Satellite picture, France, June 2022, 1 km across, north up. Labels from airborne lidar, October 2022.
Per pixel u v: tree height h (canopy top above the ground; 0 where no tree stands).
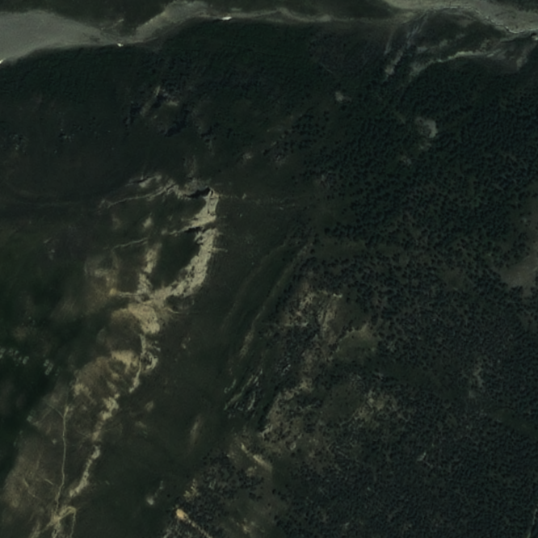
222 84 7
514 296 21
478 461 13
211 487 6
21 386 0
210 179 0
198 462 0
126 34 0
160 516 0
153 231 0
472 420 8
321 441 0
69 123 0
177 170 0
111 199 0
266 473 0
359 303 12
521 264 0
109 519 0
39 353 0
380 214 17
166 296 0
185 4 0
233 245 0
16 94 6
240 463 0
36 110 0
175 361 0
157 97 0
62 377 0
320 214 0
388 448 9
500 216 20
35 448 0
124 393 0
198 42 5
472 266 17
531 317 6
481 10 0
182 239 0
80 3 0
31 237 0
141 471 0
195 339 0
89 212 0
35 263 0
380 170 17
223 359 0
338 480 10
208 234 0
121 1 0
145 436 0
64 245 0
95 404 0
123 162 0
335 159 17
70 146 0
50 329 0
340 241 6
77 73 5
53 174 0
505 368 12
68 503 0
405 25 0
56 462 0
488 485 7
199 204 0
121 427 0
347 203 0
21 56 0
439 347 16
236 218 0
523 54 0
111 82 0
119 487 0
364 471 7
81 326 0
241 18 0
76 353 0
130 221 0
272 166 0
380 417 8
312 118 19
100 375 0
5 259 0
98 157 0
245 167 0
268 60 6
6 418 0
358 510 15
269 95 7
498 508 14
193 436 0
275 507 0
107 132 0
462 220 22
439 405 16
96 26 0
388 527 11
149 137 0
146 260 0
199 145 0
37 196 0
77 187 0
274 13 0
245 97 9
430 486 8
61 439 0
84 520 0
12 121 0
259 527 0
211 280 0
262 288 0
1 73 6
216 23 5
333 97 6
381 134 21
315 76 6
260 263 0
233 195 0
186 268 0
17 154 0
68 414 0
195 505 7
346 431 9
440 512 12
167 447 0
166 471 0
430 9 0
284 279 0
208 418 0
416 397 7
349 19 0
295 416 6
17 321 0
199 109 0
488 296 11
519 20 0
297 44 6
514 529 15
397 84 11
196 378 0
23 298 0
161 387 0
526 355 11
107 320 0
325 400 0
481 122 17
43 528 0
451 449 11
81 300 0
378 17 0
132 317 0
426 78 11
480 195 10
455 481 10
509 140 24
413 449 13
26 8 0
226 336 0
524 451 13
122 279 0
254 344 0
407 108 13
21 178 0
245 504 0
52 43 0
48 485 0
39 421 0
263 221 0
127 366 0
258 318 0
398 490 19
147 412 0
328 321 0
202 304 0
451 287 0
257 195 0
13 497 0
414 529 17
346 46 11
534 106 16
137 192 0
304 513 8
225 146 0
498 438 14
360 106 6
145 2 0
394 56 9
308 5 0
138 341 0
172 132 8
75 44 0
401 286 14
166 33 0
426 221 14
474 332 15
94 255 0
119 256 0
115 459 0
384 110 10
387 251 0
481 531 14
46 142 0
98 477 0
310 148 13
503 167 14
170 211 0
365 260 13
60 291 0
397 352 20
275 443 7
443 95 18
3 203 0
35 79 6
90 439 0
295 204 0
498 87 6
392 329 15
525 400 17
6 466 0
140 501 0
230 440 0
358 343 0
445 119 6
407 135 7
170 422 0
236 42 6
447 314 12
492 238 18
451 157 8
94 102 0
